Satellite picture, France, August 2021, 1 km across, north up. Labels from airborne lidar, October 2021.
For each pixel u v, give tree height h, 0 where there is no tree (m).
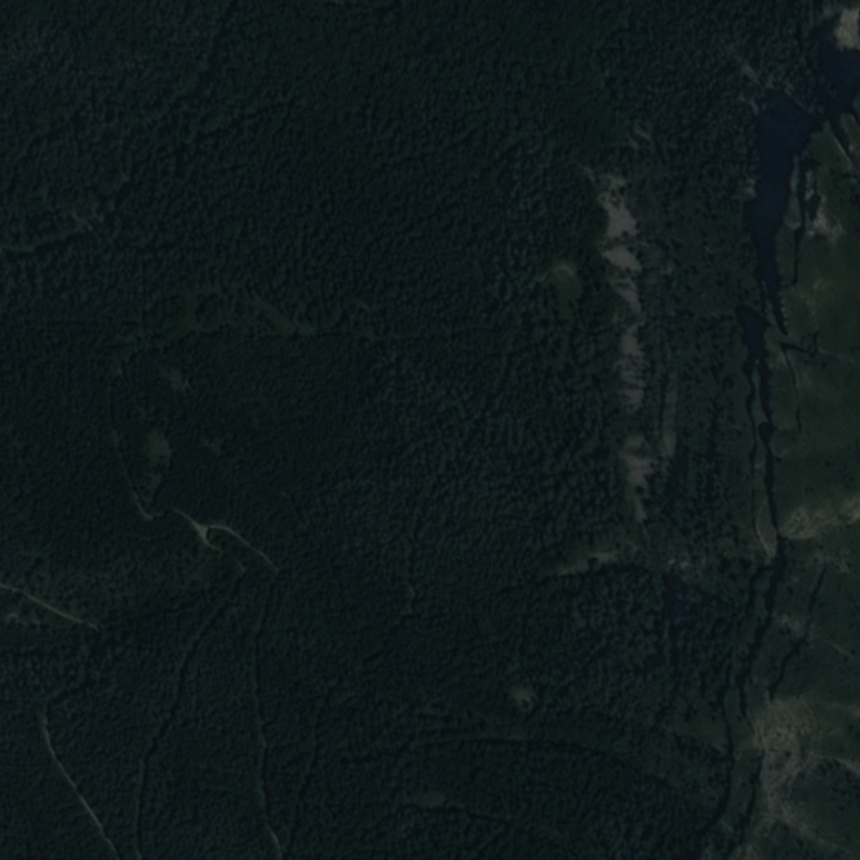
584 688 18
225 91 21
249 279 13
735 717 0
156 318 16
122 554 12
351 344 14
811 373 0
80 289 22
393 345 13
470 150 19
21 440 10
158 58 12
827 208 0
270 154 17
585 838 15
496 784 18
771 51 16
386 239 21
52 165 21
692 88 13
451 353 12
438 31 17
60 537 13
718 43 12
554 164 16
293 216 16
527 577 14
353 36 23
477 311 20
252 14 13
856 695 0
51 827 17
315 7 13
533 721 13
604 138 16
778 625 0
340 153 17
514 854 19
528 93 17
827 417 0
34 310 14
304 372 12
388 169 14
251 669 12
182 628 18
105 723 19
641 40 13
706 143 14
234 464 10
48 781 15
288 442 13
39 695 22
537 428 10
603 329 27
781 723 0
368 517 27
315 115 16
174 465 12
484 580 11
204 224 25
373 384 13
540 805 16
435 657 9
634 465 0
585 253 9
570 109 16
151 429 9
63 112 19
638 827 22
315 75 13
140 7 19
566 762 16
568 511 27
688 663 20
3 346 15
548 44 18
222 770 7
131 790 15
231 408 12
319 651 10
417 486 25
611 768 18
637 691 28
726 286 6
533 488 17
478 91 19
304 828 18
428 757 15
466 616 11
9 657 24
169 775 24
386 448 12
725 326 7
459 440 28
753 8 13
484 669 10
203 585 6
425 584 14
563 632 19
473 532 27
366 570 18
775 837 0
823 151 0
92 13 20
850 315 0
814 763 0
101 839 17
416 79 17
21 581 11
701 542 8
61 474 13
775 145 8
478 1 18
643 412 7
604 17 14
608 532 24
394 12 16
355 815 15
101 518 12
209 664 17
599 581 14
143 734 20
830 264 0
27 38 12
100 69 22
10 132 16
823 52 9
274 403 10
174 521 21
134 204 19
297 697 15
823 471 0
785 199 0
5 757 17
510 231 12
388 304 25
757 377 0
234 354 12
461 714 16
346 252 13
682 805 21
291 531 12
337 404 16
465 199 22
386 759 19
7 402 15
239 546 12
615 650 24
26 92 16
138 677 18
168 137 18
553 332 29
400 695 6
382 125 24
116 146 20
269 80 19
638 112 12
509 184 7
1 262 17
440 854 25
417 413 22
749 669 10
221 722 15
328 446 8
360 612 16
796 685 0
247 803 15
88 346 9
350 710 14
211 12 18
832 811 0
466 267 17
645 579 26
